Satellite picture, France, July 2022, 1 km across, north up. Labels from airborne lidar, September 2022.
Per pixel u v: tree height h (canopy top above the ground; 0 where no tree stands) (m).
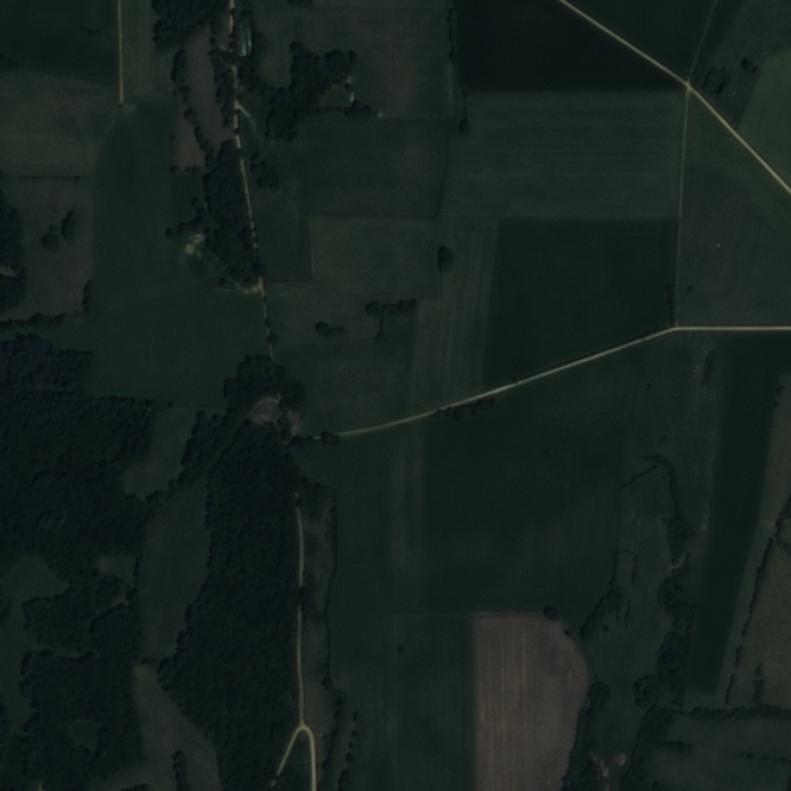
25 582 0
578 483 0
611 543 0
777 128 0
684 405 0
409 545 0
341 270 0
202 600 10
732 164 0
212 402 0
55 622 18
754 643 0
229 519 15
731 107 0
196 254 0
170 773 0
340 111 7
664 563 0
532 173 0
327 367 0
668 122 0
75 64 0
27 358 26
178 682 17
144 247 0
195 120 16
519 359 0
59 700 18
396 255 0
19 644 0
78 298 0
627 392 0
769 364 0
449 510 0
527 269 0
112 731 19
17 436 19
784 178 0
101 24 0
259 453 14
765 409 0
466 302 0
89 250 0
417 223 0
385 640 0
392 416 0
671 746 10
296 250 0
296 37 0
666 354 0
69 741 23
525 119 0
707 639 0
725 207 0
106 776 21
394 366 0
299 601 12
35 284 0
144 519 17
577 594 0
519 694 0
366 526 0
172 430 0
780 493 0
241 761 14
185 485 14
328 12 0
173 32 20
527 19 0
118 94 0
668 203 0
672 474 8
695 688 0
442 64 0
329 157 0
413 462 0
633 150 0
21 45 0
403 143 0
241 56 9
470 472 0
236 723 8
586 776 7
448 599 0
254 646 16
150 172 0
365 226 0
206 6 19
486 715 0
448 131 0
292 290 0
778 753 0
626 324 0
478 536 0
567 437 0
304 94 16
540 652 0
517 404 0
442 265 9
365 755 0
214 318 0
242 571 10
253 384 13
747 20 0
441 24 0
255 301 0
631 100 0
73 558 16
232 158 14
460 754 0
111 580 6
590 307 0
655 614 0
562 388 0
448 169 0
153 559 0
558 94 0
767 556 7
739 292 0
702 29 0
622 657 0
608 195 0
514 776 0
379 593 0
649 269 0
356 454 0
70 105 0
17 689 0
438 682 0
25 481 19
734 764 0
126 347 0
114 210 0
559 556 0
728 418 0
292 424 13
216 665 14
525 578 0
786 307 0
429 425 0
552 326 0
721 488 0
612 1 0
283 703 12
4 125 0
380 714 0
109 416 17
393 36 0
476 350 0
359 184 0
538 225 0
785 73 0
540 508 0
